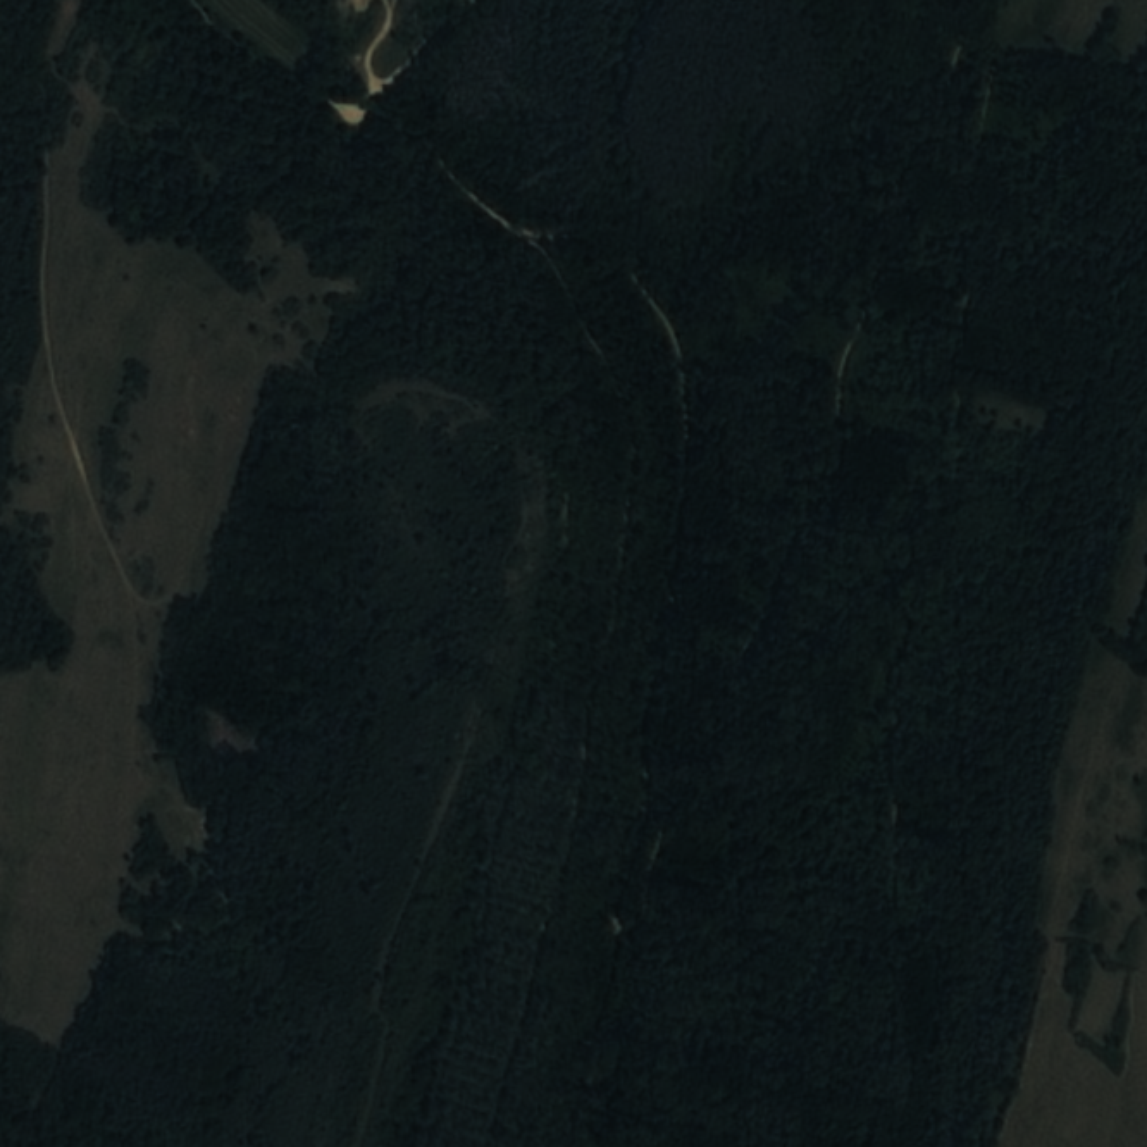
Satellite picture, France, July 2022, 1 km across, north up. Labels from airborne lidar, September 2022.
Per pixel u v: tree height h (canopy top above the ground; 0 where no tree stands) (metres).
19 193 14
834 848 16
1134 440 13
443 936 10
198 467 0
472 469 7
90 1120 10
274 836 19
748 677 24
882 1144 19
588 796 24
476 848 10
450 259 22
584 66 20
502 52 20
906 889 10
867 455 15
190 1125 20
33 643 12
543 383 16
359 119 0
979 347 13
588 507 8
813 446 23
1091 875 0
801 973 18
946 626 10
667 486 10
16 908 0
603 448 18
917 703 21
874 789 18
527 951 23
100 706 0
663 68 16
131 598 0
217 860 14
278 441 23
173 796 0
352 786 6
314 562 12
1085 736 0
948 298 10
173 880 8
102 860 0
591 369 11
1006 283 24
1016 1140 0
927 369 15
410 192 12
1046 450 16
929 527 19
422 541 13
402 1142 12
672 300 11
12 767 0
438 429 7
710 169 19
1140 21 0
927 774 24
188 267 0
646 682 28
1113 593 11
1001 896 8
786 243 24
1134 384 13
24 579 8
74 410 0
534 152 17
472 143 20
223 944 15
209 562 7
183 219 15
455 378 13
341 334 12
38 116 15
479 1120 25
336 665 17
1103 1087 0
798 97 22
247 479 9
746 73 16
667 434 7
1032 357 20
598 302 9
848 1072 24
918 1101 20
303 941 14
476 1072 25
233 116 19
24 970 0
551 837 23
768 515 21
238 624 21
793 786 15
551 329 15
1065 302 21
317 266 7
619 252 24
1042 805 7
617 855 29
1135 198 12
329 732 18
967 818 27
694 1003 23
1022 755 11
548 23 21
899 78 22
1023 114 14
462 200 7
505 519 7
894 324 22
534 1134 22
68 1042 10
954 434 13
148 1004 19
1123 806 0
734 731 29
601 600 17
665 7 20
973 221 16
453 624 6
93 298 0
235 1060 10
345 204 9
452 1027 22
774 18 20
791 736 24
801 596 22
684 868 7
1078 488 14
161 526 0
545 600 8
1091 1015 0
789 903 18
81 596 0
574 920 14
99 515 0
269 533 20
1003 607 17
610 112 8
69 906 0
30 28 15
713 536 21
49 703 0
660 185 18
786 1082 25
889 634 15
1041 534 20
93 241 0
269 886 18
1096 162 22
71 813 0
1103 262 22
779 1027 22
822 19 22
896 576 14
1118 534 7
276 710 8
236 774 23
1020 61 9
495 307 8
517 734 16
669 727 20
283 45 0
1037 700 12
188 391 0
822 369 20
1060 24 0
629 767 13
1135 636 11
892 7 15
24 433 0
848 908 12
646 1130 24
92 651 0
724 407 23
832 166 25
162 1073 23
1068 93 17
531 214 21
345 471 8
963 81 22
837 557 25
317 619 15
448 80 22
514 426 9
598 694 22
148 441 0
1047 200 20
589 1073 23
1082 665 14
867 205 7
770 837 18
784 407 19
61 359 0
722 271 25
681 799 23
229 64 22
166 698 11
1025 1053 9
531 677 10
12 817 0
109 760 0
